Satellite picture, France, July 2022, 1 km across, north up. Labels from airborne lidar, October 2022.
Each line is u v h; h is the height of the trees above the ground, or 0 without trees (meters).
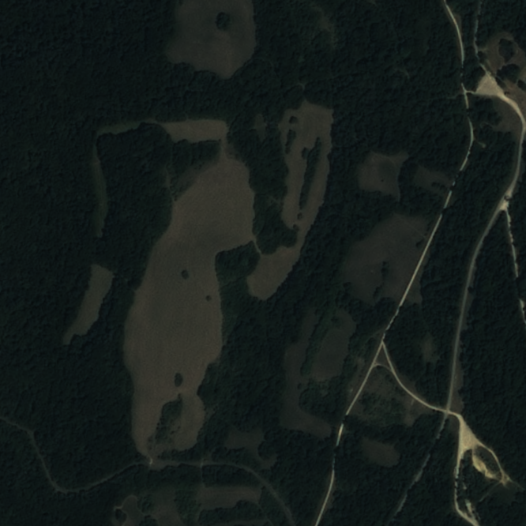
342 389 7
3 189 17
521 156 0
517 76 20
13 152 17
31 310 13
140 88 23
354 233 22
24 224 22
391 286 0
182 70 20
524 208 8
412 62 24
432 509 11
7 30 27
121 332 14
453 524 17
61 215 19
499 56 0
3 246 18
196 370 0
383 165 0
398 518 14
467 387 7
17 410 17
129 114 20
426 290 20
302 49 10
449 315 21
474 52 16
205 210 0
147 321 0
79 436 16
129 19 26
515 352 18
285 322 16
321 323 7
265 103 18
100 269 0
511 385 12
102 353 19
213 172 0
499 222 9
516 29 9
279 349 23
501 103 0
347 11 9
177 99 19
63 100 19
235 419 10
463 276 9
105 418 20
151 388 0
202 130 0
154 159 16
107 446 15
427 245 0
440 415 14
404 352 18
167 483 7
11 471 13
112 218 17
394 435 15
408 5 25
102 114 26
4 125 24
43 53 32
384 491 22
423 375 6
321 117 0
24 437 14
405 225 0
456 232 16
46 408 14
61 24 11
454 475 0
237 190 0
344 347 0
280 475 16
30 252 21
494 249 23
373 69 15
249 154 14
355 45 25
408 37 21
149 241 9
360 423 7
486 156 23
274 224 11
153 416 0
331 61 6
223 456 11
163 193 6
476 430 17
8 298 23
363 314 20
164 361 0
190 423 0
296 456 13
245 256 17
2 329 12
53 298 25
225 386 6
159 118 8
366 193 7
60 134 22
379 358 0
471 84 16
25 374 21
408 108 9
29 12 27
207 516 8
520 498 11
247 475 14
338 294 7
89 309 0
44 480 13
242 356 15
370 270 0
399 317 9
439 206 15
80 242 24
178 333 0
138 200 16
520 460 11
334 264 11
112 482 10
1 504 19
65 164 21
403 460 8
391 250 0
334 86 13
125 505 0
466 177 20
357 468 17
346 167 18
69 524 17
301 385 7
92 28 23
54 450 21
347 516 16
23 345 11
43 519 21
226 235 0
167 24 19
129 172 22
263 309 10
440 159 17
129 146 22
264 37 20
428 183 0
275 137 11
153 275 0
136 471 12
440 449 15
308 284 16
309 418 0
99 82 21
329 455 15
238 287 8
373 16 27
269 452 15
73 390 15
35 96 26
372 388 0
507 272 18
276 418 16
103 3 23
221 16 11
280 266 0
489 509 13
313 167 9
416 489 16
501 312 14
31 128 19
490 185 24
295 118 8
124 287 14
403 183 16
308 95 19
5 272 23
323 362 0
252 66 15
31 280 14
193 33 0
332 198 21
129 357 0
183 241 0
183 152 8
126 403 13
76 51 25
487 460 6
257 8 16
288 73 17
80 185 24
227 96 17
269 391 15
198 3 0
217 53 0
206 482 7
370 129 19
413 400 0
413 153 18
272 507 8
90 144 13
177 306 0
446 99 10
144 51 17
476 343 20
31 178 10
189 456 7
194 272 0
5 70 35
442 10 7
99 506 15
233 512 7
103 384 20
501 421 14
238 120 10
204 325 0
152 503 6
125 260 20
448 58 20
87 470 20
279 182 10
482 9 11
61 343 7
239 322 8
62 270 21
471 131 0
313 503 7
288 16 16
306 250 8
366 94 16
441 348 8
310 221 0
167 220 7
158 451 0
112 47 7
